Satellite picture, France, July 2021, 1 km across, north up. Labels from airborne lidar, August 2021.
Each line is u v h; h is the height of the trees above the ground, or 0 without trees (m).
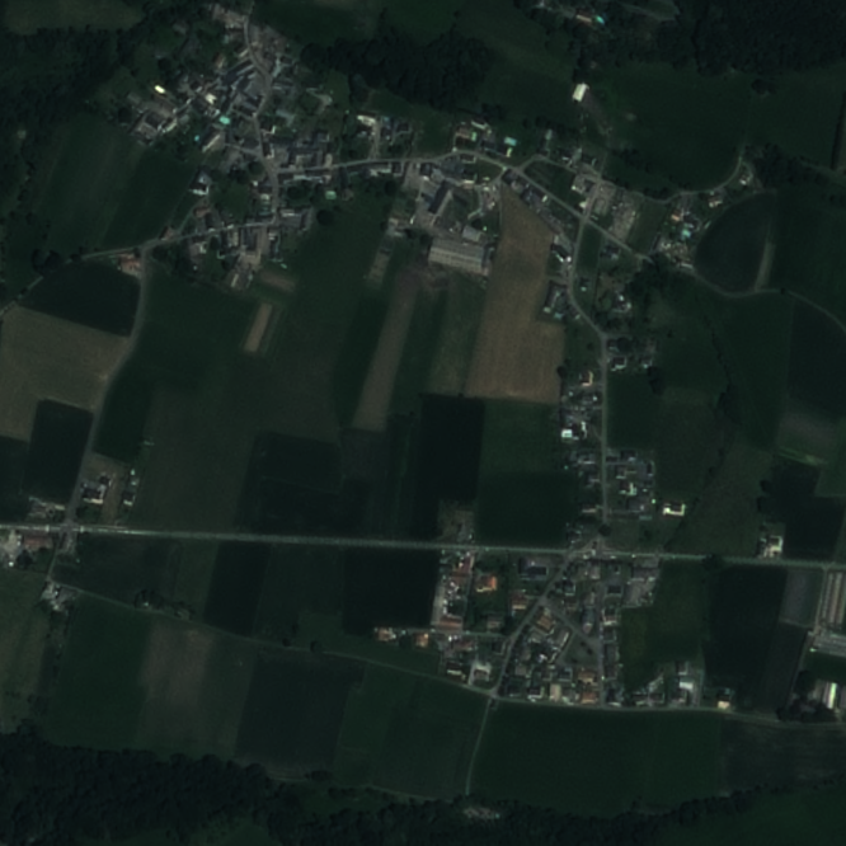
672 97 0
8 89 14
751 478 0
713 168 0
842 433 0
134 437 0
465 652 6
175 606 9
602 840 18
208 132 0
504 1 0
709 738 0
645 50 23
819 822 0
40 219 12
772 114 0
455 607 7
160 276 0
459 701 0
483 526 0
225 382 0
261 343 0
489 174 0
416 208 0
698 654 0
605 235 0
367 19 0
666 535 0
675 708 0
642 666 0
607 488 0
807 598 0
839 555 0
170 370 0
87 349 0
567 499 0
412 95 21
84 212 0
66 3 0
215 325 0
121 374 0
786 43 29
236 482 0
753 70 20
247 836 0
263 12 0
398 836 21
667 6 0
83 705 0
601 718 0
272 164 0
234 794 21
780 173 18
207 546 0
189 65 6
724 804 20
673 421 0
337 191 9
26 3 0
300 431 0
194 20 6
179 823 16
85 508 7
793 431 0
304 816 13
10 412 0
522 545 0
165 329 0
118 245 0
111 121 7
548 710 0
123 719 0
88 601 0
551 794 0
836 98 0
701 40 28
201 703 0
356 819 20
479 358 0
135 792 24
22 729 16
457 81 13
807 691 17
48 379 0
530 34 0
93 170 0
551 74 0
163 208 0
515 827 16
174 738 0
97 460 0
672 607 0
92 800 20
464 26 0
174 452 0
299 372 0
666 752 0
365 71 23
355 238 0
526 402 0
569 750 0
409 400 0
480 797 9
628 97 0
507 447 0
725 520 0
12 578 0
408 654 0
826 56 16
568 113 0
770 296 0
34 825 29
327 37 0
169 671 0
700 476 0
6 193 6
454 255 0
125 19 0
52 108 20
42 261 15
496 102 0
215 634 0
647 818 15
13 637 0
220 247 7
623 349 15
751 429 0
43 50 14
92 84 14
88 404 0
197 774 23
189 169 0
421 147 0
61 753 25
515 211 0
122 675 0
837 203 11
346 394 0
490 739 0
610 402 0
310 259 0
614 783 0
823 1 17
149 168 0
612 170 0
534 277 0
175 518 0
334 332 0
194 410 0
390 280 0
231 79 0
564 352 0
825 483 0
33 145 7
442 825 16
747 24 22
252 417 0
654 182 0
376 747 0
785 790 7
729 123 0
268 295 0
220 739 0
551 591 6
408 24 0
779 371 0
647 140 0
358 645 0
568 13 0
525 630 6
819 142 0
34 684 0
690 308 0
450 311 0
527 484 0
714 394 0
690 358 0
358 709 0
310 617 0
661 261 18
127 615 0
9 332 0
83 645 0
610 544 0
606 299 9
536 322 0
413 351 0
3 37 13
